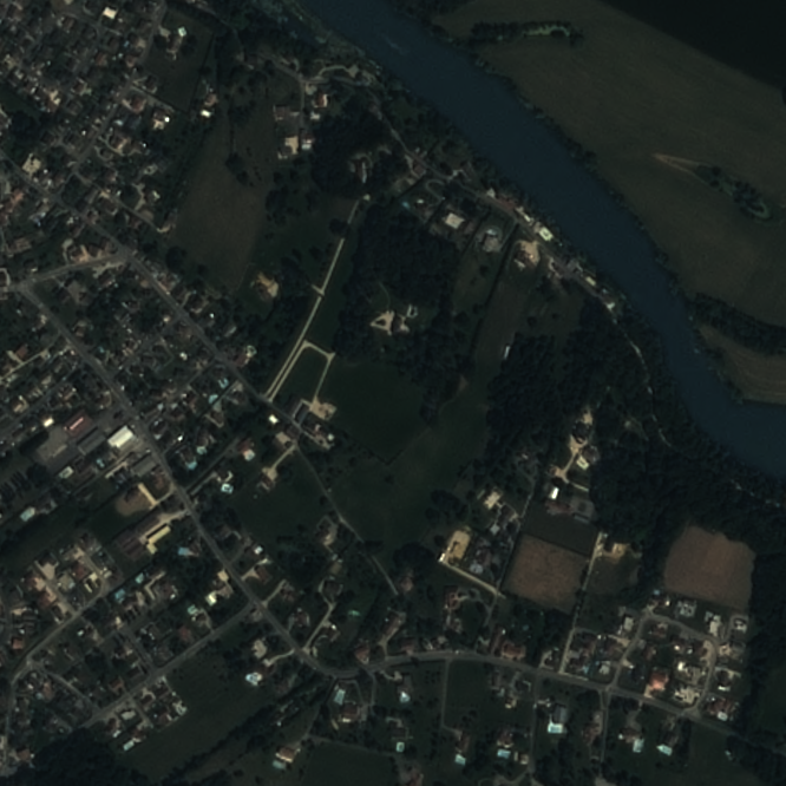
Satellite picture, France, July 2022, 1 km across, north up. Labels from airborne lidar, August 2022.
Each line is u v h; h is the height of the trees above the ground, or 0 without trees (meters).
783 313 0
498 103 0
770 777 21
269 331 0
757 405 0
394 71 0
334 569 0
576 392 9
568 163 0
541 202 0
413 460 0
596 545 0
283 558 14
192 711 0
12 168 18
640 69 0
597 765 8
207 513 10
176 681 0
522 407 17
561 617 19
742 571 0
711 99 0
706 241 0
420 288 28
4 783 16
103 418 0
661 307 0
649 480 26
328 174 15
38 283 0
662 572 14
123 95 0
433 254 28
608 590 0
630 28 0
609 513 20
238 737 14
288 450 0
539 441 18
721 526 15
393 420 0
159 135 6
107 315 6
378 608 6
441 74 0
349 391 0
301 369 0
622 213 0
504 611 0
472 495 10
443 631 14
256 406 11
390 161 29
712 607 0
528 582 0
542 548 0
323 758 0
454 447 0
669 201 0
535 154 0
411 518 0
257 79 9
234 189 0
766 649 28
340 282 0
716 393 0
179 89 0
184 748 0
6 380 0
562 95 0
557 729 0
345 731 0
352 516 0
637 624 0
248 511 0
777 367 0
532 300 0
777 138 0
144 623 0
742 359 0
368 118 23
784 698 0
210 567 12
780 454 0
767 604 24
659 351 20
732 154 0
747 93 0
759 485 21
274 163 0
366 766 0
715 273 0
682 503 25
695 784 0
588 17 0
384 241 27
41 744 0
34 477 15
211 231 0
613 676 0
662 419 20
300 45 11
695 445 21
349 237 12
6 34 7
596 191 0
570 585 0
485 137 0
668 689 0
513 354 18
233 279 0
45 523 11
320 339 0
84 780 23
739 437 0
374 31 0
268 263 0
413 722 5
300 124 0
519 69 0
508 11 0
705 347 7
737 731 14
